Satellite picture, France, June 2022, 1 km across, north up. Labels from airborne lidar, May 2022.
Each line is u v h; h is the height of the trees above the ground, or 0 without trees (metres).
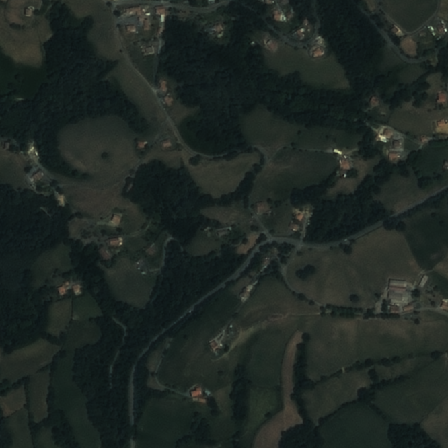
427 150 0
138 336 28
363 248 0
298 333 0
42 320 21
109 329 20
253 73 15
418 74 0
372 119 13
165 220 16
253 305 0
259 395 0
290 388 0
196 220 15
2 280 15
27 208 15
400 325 0
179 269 28
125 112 23
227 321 0
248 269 13
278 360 0
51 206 11
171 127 0
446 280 0
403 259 0
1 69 0
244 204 12
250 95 26
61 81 19
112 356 8
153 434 0
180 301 26
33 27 0
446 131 0
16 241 26
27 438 0
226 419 0
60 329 0
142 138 0
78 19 0
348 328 0
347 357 0
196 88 29
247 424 0
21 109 19
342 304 0
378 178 17
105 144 0
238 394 20
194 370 0
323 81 0
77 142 0
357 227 23
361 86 16
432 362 0
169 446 0
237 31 20
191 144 0
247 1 15
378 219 9
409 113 0
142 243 0
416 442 16
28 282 17
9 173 0
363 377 0
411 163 11
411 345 0
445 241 0
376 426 0
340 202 16
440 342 0
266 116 0
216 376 0
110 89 14
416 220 0
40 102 23
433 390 0
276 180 0
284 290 0
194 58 31
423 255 0
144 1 0
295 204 23
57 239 17
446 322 0
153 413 0
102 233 15
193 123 14
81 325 0
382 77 16
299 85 8
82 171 0
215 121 18
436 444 12
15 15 0
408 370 0
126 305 16
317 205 29
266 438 0
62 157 0
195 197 14
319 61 0
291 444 23
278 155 0
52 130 10
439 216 0
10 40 0
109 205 0
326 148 0
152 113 0
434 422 0
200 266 17
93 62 16
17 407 0
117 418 11
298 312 0
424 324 0
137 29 0
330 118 26
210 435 6
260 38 0
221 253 15
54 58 18
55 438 14
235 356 0
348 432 0
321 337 0
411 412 0
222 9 13
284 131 0
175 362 0
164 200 15
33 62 0
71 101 19
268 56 0
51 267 0
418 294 11
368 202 10
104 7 0
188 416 0
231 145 8
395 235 0
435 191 0
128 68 0
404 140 0
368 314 9
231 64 26
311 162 0
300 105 29
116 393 22
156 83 10
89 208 0
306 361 7
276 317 0
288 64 0
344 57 14
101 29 0
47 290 16
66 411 0
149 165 7
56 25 17
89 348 12
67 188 0
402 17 0
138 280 0
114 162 0
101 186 0
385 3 0
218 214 0
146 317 25
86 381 7
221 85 23
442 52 16
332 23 18
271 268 12
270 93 22
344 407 9
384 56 0
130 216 0
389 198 0
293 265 0
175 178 8
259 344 0
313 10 21
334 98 12
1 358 0
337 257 0
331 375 5
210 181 0
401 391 0
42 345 0
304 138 0
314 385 8
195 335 0
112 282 0
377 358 0
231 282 12
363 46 16
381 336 0
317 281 0
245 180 15
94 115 18
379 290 0
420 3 0
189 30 28
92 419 24
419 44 8
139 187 19
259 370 0
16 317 9
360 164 0
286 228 0
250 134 0
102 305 23
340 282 0
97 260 11
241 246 0
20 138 11
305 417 15
